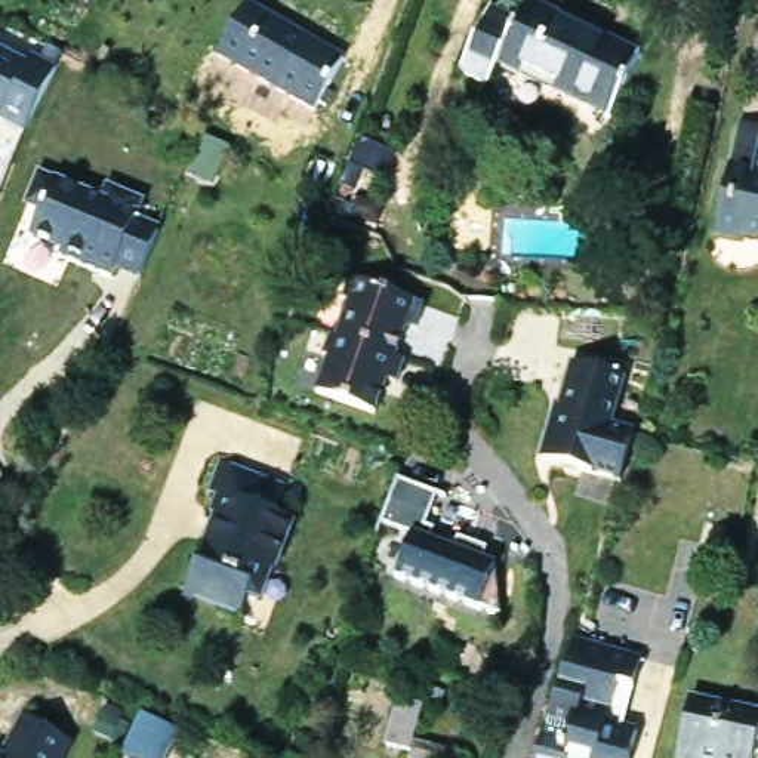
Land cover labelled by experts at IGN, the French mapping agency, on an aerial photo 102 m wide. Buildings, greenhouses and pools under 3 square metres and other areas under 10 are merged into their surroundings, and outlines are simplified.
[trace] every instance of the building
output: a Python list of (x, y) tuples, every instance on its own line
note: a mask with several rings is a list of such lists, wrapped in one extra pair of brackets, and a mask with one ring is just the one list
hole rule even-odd
[(725, 187), (714, 192), (714, 243), (722, 237), (758, 240), (758, 113), (746, 113), (740, 118), (734, 157), (728, 160), (722, 175)]
[(376, 406), (388, 397), (388, 379), (403, 364), (409, 364), (412, 355), (406, 332), (412, 323), (423, 317), (426, 308), (423, 299), (406, 296), (397, 284), (385, 278), (355, 278), (346, 284), (346, 305), (335, 329), (326, 335), (326, 355), (317, 367), (317, 376), (323, 385), (349, 388), (355, 397)]
[(370, 708), (379, 717), (379, 722), (385, 725), (385, 749), (406, 752), (406, 758), (426, 758), (426, 752), (415, 743), (415, 725), (420, 717), (417, 702), (394, 705), (385, 696), (385, 684), (376, 678), (367, 690), (349, 690), (349, 705)]
[(133, 717), (121, 758), (181, 758), (172, 740), (175, 731), (166, 720), (154, 714), (139, 711)]
[(616, 21), (613, 12), (601, 9), (601, 0), (474, 0), (474, 47), (462, 53), (462, 71), (471, 77), (506, 77), (521, 62), (533, 77), (557, 80), (560, 89), (571, 92), (574, 98), (592, 107), (613, 107), (628, 77), (625, 62), (634, 56), (634, 50), (640, 47), (637, 30)]
[(228, 148), (222, 139), (207, 133), (201, 136), (201, 148), (195, 160), (187, 166), (187, 181), (195, 181), (198, 187), (216, 187), (222, 172), (222, 154)]
[(0, 758), (65, 758), (74, 740), (68, 734), (59, 734), (47, 720), (36, 717), (30, 705), (21, 708), (9, 731), (0, 731)]
[(678, 722), (675, 758), (758, 758), (758, 693), (734, 687), (714, 681), (696, 684), (687, 696), (687, 714), (681, 714)]
[(619, 480), (625, 480), (634, 471), (634, 438), (643, 429), (640, 415), (634, 415), (637, 403), (625, 400), (631, 376), (619, 373), (616, 361), (610, 364), (607, 358), (586, 358), (580, 349), (574, 352), (557, 400), (545, 429), (548, 453), (571, 453), (586, 465), (616, 471)]
[(364, 222), (382, 216), (382, 210), (379, 204), (373, 204), (367, 187), (382, 160), (391, 160), (397, 166), (400, 154), (388, 148), (382, 139), (355, 136), (343, 169), (329, 175), (335, 187), (341, 192), (341, 210), (358, 213)]
[(89, 160), (47, 157), (38, 175), (30, 181), (36, 195), (30, 201), (36, 207), (36, 237), (44, 249), (80, 258), (110, 272), (136, 272), (151, 255), (157, 234), (166, 222), (166, 213), (154, 210), (148, 201), (151, 184), (127, 172), (95, 172)]
[(320, 68), (341, 59), (349, 50), (349, 44), (346, 38), (329, 33), (326, 27), (314, 24), (311, 18), (287, 6), (275, 9), (269, 0), (231, 0), (234, 15), (225, 21), (213, 50), (225, 53), (228, 59), (246, 65), (249, 71), (278, 83), (290, 95), (311, 104), (317, 101), (317, 83), (323, 80)]
[(480, 548), (453, 539), (450, 524), (423, 527), (420, 512), (426, 506), (426, 494), (394, 480), (385, 500), (391, 503), (391, 515), (409, 527), (406, 539), (391, 545), (391, 554), (397, 557), (400, 569), (426, 574), (429, 580), (447, 583), (450, 589), (465, 589), (471, 598), (497, 604), (497, 601), (494, 574), (486, 574), (489, 566), (483, 563)]
[(47, 86), (53, 80), (53, 62), (44, 59), (41, 50), (30, 41), (0, 27), (0, 118), (18, 124), (21, 130), (47, 95)]
[(648, 657), (648, 648), (637, 640), (601, 631), (580, 628), (569, 640), (563, 637), (560, 651), (569, 663), (560, 666), (563, 681), (551, 693), (548, 708), (569, 720), (566, 731), (577, 743), (589, 746), (589, 758), (634, 758), (645, 720), (640, 711), (628, 711), (619, 720), (610, 711), (610, 702), (616, 675), (637, 675), (643, 660)]
[(222, 453), (216, 459), (216, 474), (210, 483), (213, 503), (204, 509), (207, 527), (198, 539), (198, 551), (190, 557), (181, 592), (198, 604), (237, 610), (240, 604), (249, 604), (255, 592), (264, 592), (269, 580), (281, 580), (284, 586), (290, 583), (290, 571), (281, 566), (281, 557), (290, 548), (296, 521), (308, 503), (308, 486), (302, 480), (293, 480), (287, 471), (269, 468), (237, 453)]

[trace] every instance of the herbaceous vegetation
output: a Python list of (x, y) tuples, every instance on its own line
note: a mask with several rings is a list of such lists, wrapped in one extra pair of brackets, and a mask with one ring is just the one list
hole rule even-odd
[(74, 740), (65, 758), (121, 758), (133, 717), (124, 714), (115, 702), (107, 702), (95, 714), (95, 731), (77, 722)]
[(690, 678), (696, 684), (714, 681), (734, 687), (746, 672), (746, 643), (758, 634), (758, 586), (743, 592), (737, 610), (708, 604), (699, 613), (702, 622), (720, 631), (720, 643), (714, 648), (693, 648)]
[(187, 394), (195, 403), (210, 403), (255, 420), (264, 406), (261, 400), (243, 403), (240, 397), (222, 394), (219, 388), (204, 385), (198, 379), (187, 385)]
[(89, 59), (107, 56), (104, 41), (115, 41), (127, 50), (154, 53), (160, 89), (166, 98), (178, 101), (187, 92), (187, 86), (195, 83), (201, 59), (213, 50), (225, 21), (234, 15), (231, 0), (0, 0), (0, 27), (30, 41), (41, 50), (44, 59), (53, 62), (53, 80), (47, 86), (47, 95), (21, 130), (21, 139), (12, 151), (9, 169), (0, 184), (0, 400), (27, 376), (33, 364), (44, 361), (65, 341), (65, 335), (83, 320), (83, 314), (95, 308), (101, 296), (101, 287), (89, 275), (89, 269), (65, 266), (59, 281), (41, 281), (6, 264), (9, 243), (21, 222), (24, 204), (30, 201), (36, 195), (30, 181), (38, 175), (47, 157), (89, 160), (95, 172), (127, 172), (151, 184), (148, 201), (154, 210), (166, 213), (166, 222), (157, 234), (151, 255), (136, 272), (139, 281), (121, 317), (127, 320), (133, 341), (145, 346), (151, 355), (172, 358), (181, 367), (204, 370), (222, 379), (240, 379), (240, 385), (258, 391), (266, 388), (266, 382), (258, 373), (255, 343), (258, 335), (266, 329), (272, 317), (269, 293), (275, 281), (264, 278), (264, 269), (269, 269), (269, 249), (281, 240), (287, 222), (293, 228), (308, 228), (317, 240), (343, 243), (343, 284), (346, 284), (355, 278), (385, 278), (397, 284), (406, 296), (423, 299), (426, 308), (456, 317), (456, 323), (462, 326), (471, 320), (474, 296), (453, 290), (450, 284), (432, 275), (412, 275), (415, 264), (403, 252), (412, 243), (420, 243), (423, 237), (423, 222), (412, 219), (409, 204), (397, 204), (391, 198), (382, 210), (382, 216), (364, 222), (358, 213), (341, 210), (341, 192), (335, 187), (308, 201), (299, 198), (299, 181), (308, 166), (305, 151), (311, 145), (296, 145), (284, 157), (272, 157), (269, 148), (261, 142), (249, 151), (249, 163), (237, 163), (237, 154), (228, 148), (222, 154), (222, 172), (216, 187), (198, 187), (195, 181), (187, 181), (187, 166), (181, 166), (178, 160), (154, 163), (157, 145), (163, 145), (175, 130), (201, 136), (207, 133), (198, 118), (190, 115), (175, 113), (160, 124), (151, 124), (142, 110), (124, 107), (124, 101), (110, 107), (92, 92), (86, 92), (80, 77)]
[(175, 731), (172, 740), (181, 758), (243, 758), (240, 749), (222, 746), (219, 740), (195, 746), (192, 740)]
[(275, 391), (305, 406), (323, 406), (332, 412), (338, 412), (341, 406), (335, 400), (317, 397), (317, 388), (296, 382), (296, 373), (305, 367), (308, 335), (287, 341), (275, 358)]
[(30, 471), (30, 459), (24, 456), (24, 453), (21, 453), (21, 450), (15, 450), (15, 441), (12, 441), (12, 435), (6, 432), (3, 432), (3, 444), (6, 444), (6, 465), (15, 465), (18, 471)]
[(210, 483), (216, 474), (216, 459), (222, 453), (210, 456), (198, 474), (195, 497), (204, 509), (213, 503)]
[(346, 38), (349, 44), (361, 21), (367, 18), (373, 0), (269, 0), (275, 9), (287, 6), (311, 18), (314, 24), (326, 27), (329, 33)]
[[(382, 438), (367, 432), (305, 432), (299, 438), (299, 453), (293, 459), (293, 468), (287, 471), (293, 480), (302, 480), (308, 486), (308, 503), (296, 521), (290, 548), (281, 557), (281, 566), (290, 571), (290, 583), (284, 586), (284, 595), (281, 601), (275, 601), (266, 628), (246, 625), (246, 616), (237, 610), (198, 604), (181, 592), (190, 557), (198, 551), (198, 539), (175, 542), (133, 592), (127, 592), (115, 607), (80, 625), (68, 637), (38, 640), (30, 634), (18, 637), (15, 643), (18, 648), (33, 651), (38, 657), (71, 654), (95, 678), (104, 675), (107, 666), (136, 672), (166, 693), (187, 693), (192, 702), (207, 705), (210, 711), (222, 711), (237, 696), (243, 696), (261, 720), (269, 722), (275, 717), (281, 681), (299, 669), (299, 663), (308, 660), (311, 648), (341, 637), (361, 637), (358, 628), (346, 625), (341, 616), (341, 563), (349, 554), (358, 554), (361, 563), (379, 563), (376, 551), (382, 536), (388, 536), (388, 527), (376, 521), (376, 515), (385, 500), (394, 480), (397, 468), (391, 465), (391, 456), (385, 444)], [(169, 651), (166, 643), (148, 640), (148, 634), (139, 628), (142, 610), (169, 613), (178, 622), (178, 628), (190, 634), (178, 643), (175, 651)], [(201, 643), (216, 648), (222, 663), (228, 666), (219, 684), (192, 684), (187, 675)]]
[(557, 287), (539, 287), (536, 272), (530, 272), (524, 261), (518, 261), (512, 272), (503, 275), (506, 293), (545, 299), (592, 296), (595, 290), (586, 287), (577, 275), (560, 281)]
[(616, 21), (637, 30), (645, 18), (645, 9), (637, 0), (601, 0), (601, 9), (613, 12)]
[(616, 361), (619, 373), (631, 376), (625, 400), (637, 403), (651, 370), (654, 346), (672, 343), (657, 323), (657, 299), (637, 290), (634, 299), (622, 299), (616, 311), (577, 308), (554, 314), (557, 346), (574, 352), (580, 349), (586, 358), (607, 358), (610, 364)]
[(503, 459), (503, 465), (512, 471), (512, 477), (530, 500), (557, 500), (557, 530), (566, 542), (569, 563), (569, 604), (580, 610), (580, 628), (601, 631), (598, 601), (592, 595), (601, 586), (595, 577), (598, 560), (604, 554), (619, 554), (625, 563), (619, 586), (666, 592), (678, 545), (693, 542), (696, 551), (708, 542), (708, 536), (714, 542), (731, 545), (743, 563), (743, 574), (758, 583), (758, 266), (720, 266), (714, 258), (714, 243), (714, 192), (725, 187), (722, 175), (728, 160), (734, 157), (740, 118), (746, 113), (758, 113), (758, 12), (737, 21), (737, 44), (728, 53), (728, 59), (720, 68), (705, 65), (708, 83), (696, 86), (690, 98), (705, 107), (717, 107), (720, 139), (705, 190), (705, 207), (699, 216), (699, 228), (705, 228), (708, 234), (693, 237), (690, 249), (675, 252), (675, 261), (681, 261), (675, 278), (675, 302), (684, 308), (684, 317), (669, 317), (669, 329), (684, 329), (684, 361), (708, 361), (714, 367), (711, 382), (705, 385), (708, 403), (696, 409), (690, 432), (725, 435), (737, 444), (740, 459), (728, 462), (725, 468), (714, 468), (702, 459), (702, 450), (672, 444), (651, 471), (657, 503), (645, 503), (628, 533), (610, 533), (613, 518), (607, 506), (577, 497), (574, 477), (560, 468), (551, 468), (548, 480), (542, 483), (536, 456), (548, 453), (545, 429), (557, 400), (545, 394), (539, 379), (524, 382), (524, 400), (503, 417), (503, 432), (489, 441), (489, 447)]
[(361, 746), (349, 749), (343, 758), (406, 758), (406, 752), (385, 749), (385, 725), (379, 722), (373, 734)]
[(681, 714), (687, 714), (687, 696), (672, 684), (651, 758), (675, 758), (678, 722)]
[(604, 130), (595, 133), (583, 127), (574, 142), (574, 163), (583, 169), (589, 166), (595, 151), (604, 151), (610, 145), (610, 133)]
[[(124, 382), (118, 385), (107, 415), (95, 426), (62, 429), (62, 438), (68, 444), (56, 444), (50, 456), (56, 483), (44, 500), (44, 527), (59, 539), (62, 548), (59, 580), (71, 592), (86, 592), (110, 574), (115, 574), (133, 557), (151, 524), (157, 497), (163, 494), (163, 486), (169, 480), (175, 453), (148, 456), (139, 444), (130, 441), (130, 409), (157, 373), (154, 364), (133, 364), (133, 370), (124, 373)], [(92, 489), (98, 486), (121, 489), (127, 494), (127, 524), (110, 518), (107, 506), (92, 497)]]
[(346, 104), (329, 98), (317, 107), (320, 133), (341, 118)]
[(521, 631), (527, 628), (527, 557), (512, 557), (506, 551), (506, 598), (497, 601), (497, 604), (494, 616), (456, 607), (456, 625), (447, 631), (432, 613), (429, 595), (415, 592), (385, 574), (385, 622), (394, 625), (391, 640), (397, 643), (397, 657), (429, 660), (435, 640), (444, 640), (462, 651), (465, 645), (471, 645), (483, 654), (483, 666), (477, 669), (474, 681), (506, 681), (518, 690), (521, 699), (533, 702), (533, 693), (548, 669), (545, 640), (533, 648), (533, 657), (527, 657), (515, 645)]
[(394, 83), (388, 110), (406, 110), (420, 115), (432, 68), (441, 56), (441, 47), (450, 38), (450, 21), (459, 0), (391, 0), (394, 18), (379, 44), (379, 62), (364, 86), (376, 89), (385, 59), (391, 56), (391, 47), (409, 41), (409, 56)]
[(456, 714), (444, 714), (438, 720), (441, 734), (459, 734), (474, 740), (480, 746), (477, 758), (503, 758), (512, 737), (489, 722), (471, 731), (471, 725), (459, 722)]
[(645, 59), (640, 53), (634, 56), (625, 62), (628, 77), (651, 74), (657, 80), (654, 121), (666, 124), (666, 104), (681, 47), (675, 41), (666, 41), (660, 44), (660, 59)]
[(397, 417), (400, 397), (388, 397), (376, 406), (376, 415), (367, 417), (370, 423), (388, 429)]

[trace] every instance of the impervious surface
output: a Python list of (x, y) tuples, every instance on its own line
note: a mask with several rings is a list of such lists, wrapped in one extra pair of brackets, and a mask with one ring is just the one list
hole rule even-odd
[(557, 287), (560, 281), (577, 275), (574, 264), (569, 261), (571, 255), (500, 252), (503, 275), (512, 272), (518, 261), (524, 261), (530, 272), (536, 272), (539, 287)]
[(548, 453), (536, 456), (542, 483), (548, 480), (551, 468), (560, 468), (574, 477), (577, 497), (607, 506), (613, 483), (619, 480), (616, 471), (586, 465), (571, 453)]
[(281, 580), (269, 580), (264, 592), (255, 592), (249, 604), (240, 604), (237, 610), (246, 616), (246, 625), (266, 628), (275, 601), (281, 601), (284, 595), (284, 586)]
[(269, 468), (287, 471), (293, 468), (293, 459), (299, 453), (299, 438), (255, 420), (210, 403), (195, 403), (192, 420), (187, 423), (175, 453), (169, 480), (163, 486), (163, 494), (157, 497), (151, 524), (133, 557), (115, 574), (110, 574), (86, 592), (71, 592), (59, 580), (53, 580), (47, 601), (21, 619), (27, 622), (30, 634), (38, 640), (68, 637), (80, 625), (115, 607), (127, 592), (133, 592), (175, 542), (198, 539), (207, 527), (204, 509), (195, 497), (198, 474), (210, 456), (222, 453), (237, 453)]
[(429, 595), (447, 598), (456, 607), (494, 616), (497, 604), (471, 598), (465, 589), (450, 589), (447, 583), (429, 580), (426, 574), (400, 569), (397, 557), (391, 554), (391, 545), (406, 539), (409, 527), (391, 515), (391, 503), (385, 500), (376, 515), (376, 521), (388, 527), (388, 536), (382, 536), (376, 551), (379, 563), (385, 574), (415, 592)]
[(758, 240), (722, 237), (714, 243), (714, 258), (720, 266), (758, 266)]
[(640, 711), (645, 720), (634, 758), (651, 758), (672, 684), (681, 643), (687, 640), (690, 625), (702, 622), (699, 613), (708, 604), (696, 598), (687, 586), (690, 557), (696, 551), (693, 542), (678, 545), (666, 592), (619, 586), (601, 586), (592, 595), (598, 601), (601, 631), (637, 640), (648, 648), (648, 657), (643, 660), (637, 675), (616, 675), (610, 702), (610, 711), (619, 720), (628, 711)]
[(524, 382), (539, 379), (545, 394), (557, 400), (574, 352), (557, 346), (554, 314), (521, 311), (512, 323), (512, 338), (506, 343), (494, 343), (494, 299), (474, 296), (471, 320), (462, 326), (456, 323), (456, 317), (426, 308), (423, 317), (412, 323), (406, 332), (412, 355), (409, 364), (403, 364), (388, 379), (388, 397), (400, 397), (403, 388), (432, 388), (456, 417), (456, 450), (468, 459), (468, 465), (441, 471), (412, 456), (391, 456), (391, 465), (397, 468), (394, 480), (426, 494), (426, 506), (420, 512), (423, 527), (450, 524), (453, 539), (480, 548), (483, 563), (489, 566), (486, 574), (494, 574), (497, 601), (506, 598), (506, 551), (512, 557), (527, 557), (536, 551), (542, 554), (551, 586), (545, 640), (548, 669), (533, 693), (533, 702), (530, 717), (518, 725), (512, 737), (503, 758), (589, 758), (589, 746), (577, 743), (566, 731), (569, 720), (548, 708), (551, 693), (563, 681), (560, 666), (569, 663), (560, 651), (563, 637), (569, 640), (580, 628), (580, 610), (569, 604), (569, 563), (566, 542), (557, 530), (557, 500), (530, 500), (512, 477), (512, 471), (503, 465), (503, 459), (489, 447), (489, 441), (483, 438), (483, 432), (471, 429), (474, 415), (468, 379), (474, 379), (489, 364), (509, 364), (512, 376)]
[(317, 388), (317, 397), (335, 400), (341, 406), (361, 412), (367, 417), (376, 415), (376, 406), (355, 397), (349, 388), (323, 385), (317, 376), (317, 367), (326, 355), (326, 335), (335, 329), (346, 305), (346, 284), (343, 284), (335, 287), (335, 299), (320, 311), (320, 323), (308, 335), (305, 367), (296, 373), (296, 382)]
[(12, 151), (21, 139), (21, 130), (18, 124), (0, 118), (0, 184), (9, 169)]
[(110, 272), (80, 258), (44, 249), (36, 237), (36, 207), (30, 201), (24, 204), (21, 222), (9, 243), (6, 264), (41, 281), (59, 281), (65, 266), (89, 269), (89, 275), (101, 287), (101, 296), (95, 308), (83, 314), (83, 320), (65, 335), (65, 341), (44, 361), (33, 364), (27, 376), (0, 400), (0, 471), (6, 465), (6, 444), (3, 444), (3, 432), (6, 432), (24, 400), (38, 385), (47, 385), (53, 376), (65, 370), (71, 352), (80, 349), (98, 332), (101, 320), (121, 317), (139, 281), (136, 272)]
[(592, 107), (574, 98), (571, 92), (560, 89), (557, 80), (533, 77), (521, 62), (506, 77), (512, 95), (521, 104), (545, 98), (557, 101), (569, 107), (583, 127), (595, 133), (604, 130), (613, 118), (613, 107)]
[(563, 219), (563, 207), (533, 207), (527, 201), (527, 192), (518, 192), (506, 210), (486, 210), (480, 207), (477, 195), (468, 192), (453, 216), (453, 225), (456, 249), (480, 243), (489, 252), (500, 252), (503, 219)]

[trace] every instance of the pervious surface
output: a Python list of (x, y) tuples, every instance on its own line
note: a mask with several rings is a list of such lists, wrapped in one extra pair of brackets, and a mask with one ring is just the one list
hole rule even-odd
[(456, 607), (447, 598), (429, 595), (432, 613), (447, 631), (456, 625)]
[(65, 687), (53, 678), (0, 690), (0, 731), (9, 731), (21, 708), (30, 705), (36, 717), (47, 720), (59, 734), (68, 734), (74, 740), (77, 722), (95, 731), (95, 714), (107, 702), (83, 690)]
[(690, 98), (696, 86), (708, 83), (705, 65), (705, 44), (699, 38), (690, 38), (681, 47), (666, 104), (666, 124), (669, 133), (681, 130), (684, 104)]
[(465, 645), (462, 651), (462, 663), (456, 666), (456, 672), (474, 681), (477, 669), (483, 666), (483, 654), (471, 645)]
[(21, 619), (12, 625), (0, 625), (0, 654), (15, 643), (18, 637), (30, 634), (27, 622)]
[(213, 89), (213, 95), (222, 98), (219, 121), (225, 121), (240, 136), (261, 136), (261, 142), (269, 148), (272, 157), (284, 157), (296, 145), (311, 145), (320, 133), (317, 107), (329, 98), (346, 104), (364, 86), (379, 62), (379, 44), (394, 18), (391, 0), (373, 0), (367, 18), (361, 21), (349, 44), (349, 50), (341, 59), (320, 68), (323, 80), (317, 83), (317, 101), (311, 104), (290, 95), (278, 83), (249, 71), (246, 65), (228, 59), (225, 53), (213, 50), (201, 59), (195, 83), (207, 80), (210, 74), (222, 74)]
[(465, 89), (471, 77), (462, 71), (462, 53), (474, 47), (474, 0), (459, 0), (450, 21), (450, 38), (441, 47), (441, 56), (432, 68), (420, 115), (420, 127), (400, 154), (397, 166), (397, 192), (391, 198), (397, 204), (409, 204), (415, 160), (420, 154), (423, 139), (432, 133), (435, 110), (441, 107), (447, 89)]

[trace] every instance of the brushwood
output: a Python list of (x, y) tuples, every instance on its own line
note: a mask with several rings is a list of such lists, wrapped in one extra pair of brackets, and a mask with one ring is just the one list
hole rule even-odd
[(474, 379), (468, 379), (474, 415), (471, 429), (483, 432), (483, 438), (489, 441), (503, 432), (503, 417), (524, 400), (524, 382), (512, 376), (509, 364), (489, 364)]
[(391, 56), (385, 59), (376, 89), (364, 86), (346, 104), (341, 118), (320, 133), (311, 145), (305, 151), (308, 166), (299, 181), (299, 198), (308, 201), (335, 187), (329, 175), (343, 169), (355, 136), (382, 139), (388, 148), (400, 154), (420, 127), (420, 115), (406, 110), (388, 110), (394, 83), (409, 56), (409, 41), (391, 47)]
[(222, 663), (216, 648), (201, 643), (187, 675), (192, 684), (219, 684), (228, 666)]
[(746, 643), (746, 672), (734, 687), (758, 693), (758, 634)]
[(373, 734), (379, 722), (379, 717), (370, 708), (349, 705), (349, 690), (367, 690), (376, 678), (385, 684), (385, 696), (394, 705), (417, 702), (420, 717), (415, 725), (415, 743), (426, 752), (426, 758), (477, 758), (480, 746), (474, 740), (459, 734), (441, 734), (438, 720), (444, 714), (456, 714), (459, 722), (471, 725), (471, 731), (489, 722), (512, 737), (518, 725), (530, 717), (533, 702), (521, 699), (518, 690), (506, 681), (474, 681), (456, 672), (456, 666), (462, 663), (462, 651), (444, 640), (435, 640), (429, 660), (397, 657), (397, 643), (391, 640), (394, 625), (385, 622), (385, 574), (379, 563), (361, 563), (358, 554), (349, 554), (341, 563), (341, 616), (346, 625), (358, 628), (361, 637), (341, 637), (311, 648), (308, 660), (299, 663), (299, 669), (281, 681), (275, 717), (269, 722), (261, 720), (243, 696), (237, 696), (222, 711), (210, 711), (207, 705), (192, 702), (187, 693), (166, 693), (136, 672), (107, 666), (104, 675), (95, 678), (71, 654), (38, 657), (33, 651), (18, 648), (15, 643), (0, 654), (0, 690), (53, 678), (65, 687), (83, 690), (107, 702), (115, 702), (124, 714), (133, 717), (139, 711), (154, 714), (166, 720), (175, 731), (192, 740), (195, 746), (219, 740), (222, 746), (240, 749), (243, 758), (343, 758), (349, 749), (361, 746)]
[(124, 101), (124, 107), (142, 110), (151, 124), (160, 124), (175, 113), (190, 115), (198, 118), (207, 133), (222, 139), (228, 148), (237, 154), (237, 163), (249, 163), (249, 151), (261, 142), (261, 136), (240, 136), (225, 121), (219, 121), (222, 98), (213, 95), (213, 89), (222, 74), (210, 74), (207, 80), (195, 83), (187, 86), (187, 92), (178, 101), (166, 98), (160, 89), (154, 53), (127, 50), (115, 41), (104, 41), (107, 56), (89, 59), (80, 77), (86, 92), (92, 92), (110, 107)]
[(201, 148), (201, 136), (175, 130), (163, 145), (157, 145), (154, 163), (178, 160), (181, 166), (187, 166), (195, 160)]
[(619, 586), (625, 563), (619, 554), (604, 554), (598, 560), (595, 577), (601, 586)]
[(527, 628), (521, 631), (515, 645), (527, 657), (533, 657), (533, 648), (545, 640), (551, 586), (542, 554), (536, 551), (527, 557)]
[(681, 130), (669, 133), (666, 124), (654, 121), (657, 80), (651, 74), (628, 77), (613, 107), (613, 118), (604, 130), (610, 133), (610, 145), (604, 151), (595, 151), (589, 166), (583, 169), (577, 190), (569, 195), (563, 207), (563, 219), (577, 231), (577, 249), (571, 255), (569, 261), (574, 264), (577, 275), (586, 287), (595, 290), (592, 296), (545, 299), (506, 293), (503, 275), (500, 252), (489, 252), (480, 243), (456, 249), (453, 225), (438, 237), (423, 237), (420, 243), (412, 243), (403, 252), (415, 264), (412, 275), (432, 275), (450, 284), (453, 290), (474, 296), (494, 299), (494, 343), (506, 343), (512, 338), (512, 323), (521, 311), (554, 314), (577, 308), (616, 311), (622, 299), (634, 299), (637, 290), (657, 299), (657, 323), (672, 343), (654, 346), (651, 370), (637, 403), (634, 415), (640, 415), (643, 429), (634, 438), (634, 471), (625, 480), (619, 480), (613, 483), (607, 506), (613, 518), (610, 533), (628, 533), (645, 503), (657, 503), (651, 471), (672, 444), (702, 450), (702, 459), (714, 468), (725, 468), (728, 462), (740, 459), (737, 444), (725, 435), (690, 432), (696, 409), (708, 403), (705, 385), (711, 382), (714, 367), (708, 361), (684, 361), (684, 329), (669, 329), (669, 317), (684, 317), (684, 308), (675, 302), (675, 278), (681, 261), (675, 261), (675, 252), (690, 249), (693, 237), (708, 234), (705, 228), (699, 228), (699, 216), (705, 207), (705, 190), (720, 139), (717, 107), (705, 107), (690, 98), (684, 104)]
[(219, 388), (222, 394), (240, 397), (243, 403), (261, 400), (264, 406), (255, 420), (299, 438), (305, 432), (367, 432), (382, 438), (385, 444), (388, 438), (394, 438), (394, 429), (388, 429), (370, 423), (367, 417), (361, 412), (341, 406), (338, 412), (332, 412), (323, 406), (305, 406), (275, 391), (275, 358), (287, 341), (278, 332), (266, 329), (258, 335), (255, 343), (258, 373), (266, 382), (266, 388), (258, 391), (240, 385), (240, 379), (222, 379), (204, 370), (181, 367), (172, 358), (151, 355), (145, 346), (133, 341), (133, 364), (154, 364), (157, 373), (175, 376), (187, 385), (198, 379), (204, 385)]
[(178, 628), (178, 622), (169, 613), (142, 610), (139, 628), (148, 634), (148, 640), (166, 643), (169, 651), (175, 651), (178, 643), (190, 634)]
[(110, 518), (127, 524), (127, 494), (121, 489), (98, 486), (92, 489), (92, 497), (107, 506)]
[(714, 648), (720, 643), (720, 631), (702, 622), (690, 625), (687, 640), (681, 643), (672, 684), (687, 696), (696, 684), (690, 678), (693, 648)]

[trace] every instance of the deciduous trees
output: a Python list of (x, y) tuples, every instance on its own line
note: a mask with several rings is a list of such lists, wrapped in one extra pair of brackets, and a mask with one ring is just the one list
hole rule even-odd
[(758, 583), (743, 574), (743, 563), (731, 545), (714, 542), (708, 536), (708, 542), (696, 551), (690, 557), (687, 586), (696, 598), (708, 604), (737, 610), (743, 592), (758, 586)]
[(569, 195), (577, 190), (583, 169), (574, 163), (574, 142), (583, 127), (569, 107), (557, 101), (545, 98), (521, 104), (512, 95), (506, 77), (471, 77), (465, 89), (447, 89), (441, 107), (435, 110), (432, 133), (423, 139), (420, 154), (415, 160), (409, 204), (412, 219), (423, 222), (423, 237), (438, 237), (453, 225), (453, 216), (468, 192), (477, 195), (480, 207), (486, 210), (506, 210), (518, 192), (527, 192), (527, 201), (533, 207), (563, 207)]
[(272, 317), (266, 329), (278, 332), (287, 341), (308, 335), (320, 323), (320, 311), (335, 299), (335, 287), (343, 284), (343, 243), (317, 240), (308, 228), (293, 228), (287, 222), (281, 240), (269, 249), (269, 269), (264, 269), (264, 278), (275, 281), (269, 293)]
[(192, 420), (195, 403), (187, 394), (187, 385), (175, 376), (157, 373), (130, 409), (130, 441), (139, 444), (148, 456), (175, 453), (187, 423)]
[(468, 465), (468, 459), (456, 450), (456, 417), (432, 388), (403, 388), (400, 397), (397, 417), (388, 429), (394, 429), (394, 438), (388, 438), (385, 444), (391, 456), (412, 456), (441, 471)]
[(65, 370), (53, 376), (47, 385), (38, 385), (24, 400), (6, 432), (12, 435), (12, 441), (15, 441), (15, 450), (21, 450), (21, 453), (24, 453), (24, 456), (30, 459), (30, 471), (18, 471), (15, 465), (6, 465), (0, 471), (0, 625), (12, 625), (21, 619), (47, 601), (53, 580), (59, 580), (62, 548), (59, 539), (44, 527), (44, 500), (56, 483), (50, 456), (56, 444), (68, 444), (62, 438), (62, 429), (95, 426), (107, 415), (118, 385), (124, 382), (124, 373), (133, 370), (133, 364), (133, 341), (127, 320), (121, 317), (101, 320), (98, 332), (80, 349), (71, 352)]
[(397, 192), (397, 166), (391, 160), (382, 160), (367, 187), (373, 204), (379, 204), (382, 210), (391, 198)]
[(690, 38), (699, 38), (705, 44), (705, 65), (720, 68), (728, 59), (728, 53), (737, 44), (737, 21), (758, 12), (758, 0), (637, 0), (645, 9), (645, 18), (637, 30), (640, 47), (634, 50), (634, 56), (640, 53), (645, 59), (660, 59), (660, 44), (666, 41), (675, 41), (681, 47)]

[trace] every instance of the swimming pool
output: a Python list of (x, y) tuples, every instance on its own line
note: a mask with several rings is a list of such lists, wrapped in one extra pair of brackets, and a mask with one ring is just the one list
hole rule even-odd
[(503, 219), (500, 252), (571, 255), (577, 249), (577, 231), (563, 219)]

